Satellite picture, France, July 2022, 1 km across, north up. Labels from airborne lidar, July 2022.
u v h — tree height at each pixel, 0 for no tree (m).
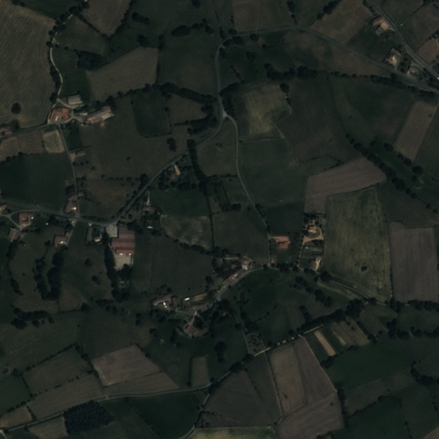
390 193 0
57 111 0
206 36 0
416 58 0
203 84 0
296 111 0
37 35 0
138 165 0
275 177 0
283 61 0
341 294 0
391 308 10
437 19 0
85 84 0
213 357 0
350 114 0
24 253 0
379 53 0
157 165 0
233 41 12
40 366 0
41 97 0
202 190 10
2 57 0
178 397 0
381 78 11
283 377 0
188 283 0
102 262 0
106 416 16
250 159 0
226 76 0
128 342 0
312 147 0
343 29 0
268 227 8
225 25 0
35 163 0
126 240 0
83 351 10
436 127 0
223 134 0
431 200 0
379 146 0
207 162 0
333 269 0
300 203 0
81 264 0
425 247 0
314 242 13
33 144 0
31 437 0
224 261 7
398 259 0
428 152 0
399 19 0
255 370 0
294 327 0
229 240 0
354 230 0
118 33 9
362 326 13
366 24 0
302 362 0
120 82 0
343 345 0
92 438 0
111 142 0
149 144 0
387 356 0
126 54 0
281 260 0
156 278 0
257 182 0
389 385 0
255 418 0
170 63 0
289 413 0
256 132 0
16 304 0
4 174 0
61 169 0
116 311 21
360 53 0
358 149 15
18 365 0
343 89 0
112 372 0
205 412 10
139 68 0
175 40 0
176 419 0
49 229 0
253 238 0
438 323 0
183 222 0
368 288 0
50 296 18
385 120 0
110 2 0
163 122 0
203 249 15
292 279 0
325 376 0
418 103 0
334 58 0
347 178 0
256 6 0
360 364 0
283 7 0
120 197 0
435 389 0
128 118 0
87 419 19
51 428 0
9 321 0
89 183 0
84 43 0
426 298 0
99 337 0
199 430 0
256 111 0
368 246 0
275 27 0
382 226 0
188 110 0
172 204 0
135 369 0
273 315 0
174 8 0
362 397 0
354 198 0
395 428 0
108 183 0
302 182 0
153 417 0
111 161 0
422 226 0
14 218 0
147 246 0
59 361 0
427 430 0
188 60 0
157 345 0
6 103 0
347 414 13
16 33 0
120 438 0
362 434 0
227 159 0
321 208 0
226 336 0
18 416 0
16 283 17
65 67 0
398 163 0
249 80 0
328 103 0
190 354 0
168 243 0
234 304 0
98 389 0
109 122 0
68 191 10
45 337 0
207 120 17
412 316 0
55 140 0
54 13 0
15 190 0
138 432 0
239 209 16
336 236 0
